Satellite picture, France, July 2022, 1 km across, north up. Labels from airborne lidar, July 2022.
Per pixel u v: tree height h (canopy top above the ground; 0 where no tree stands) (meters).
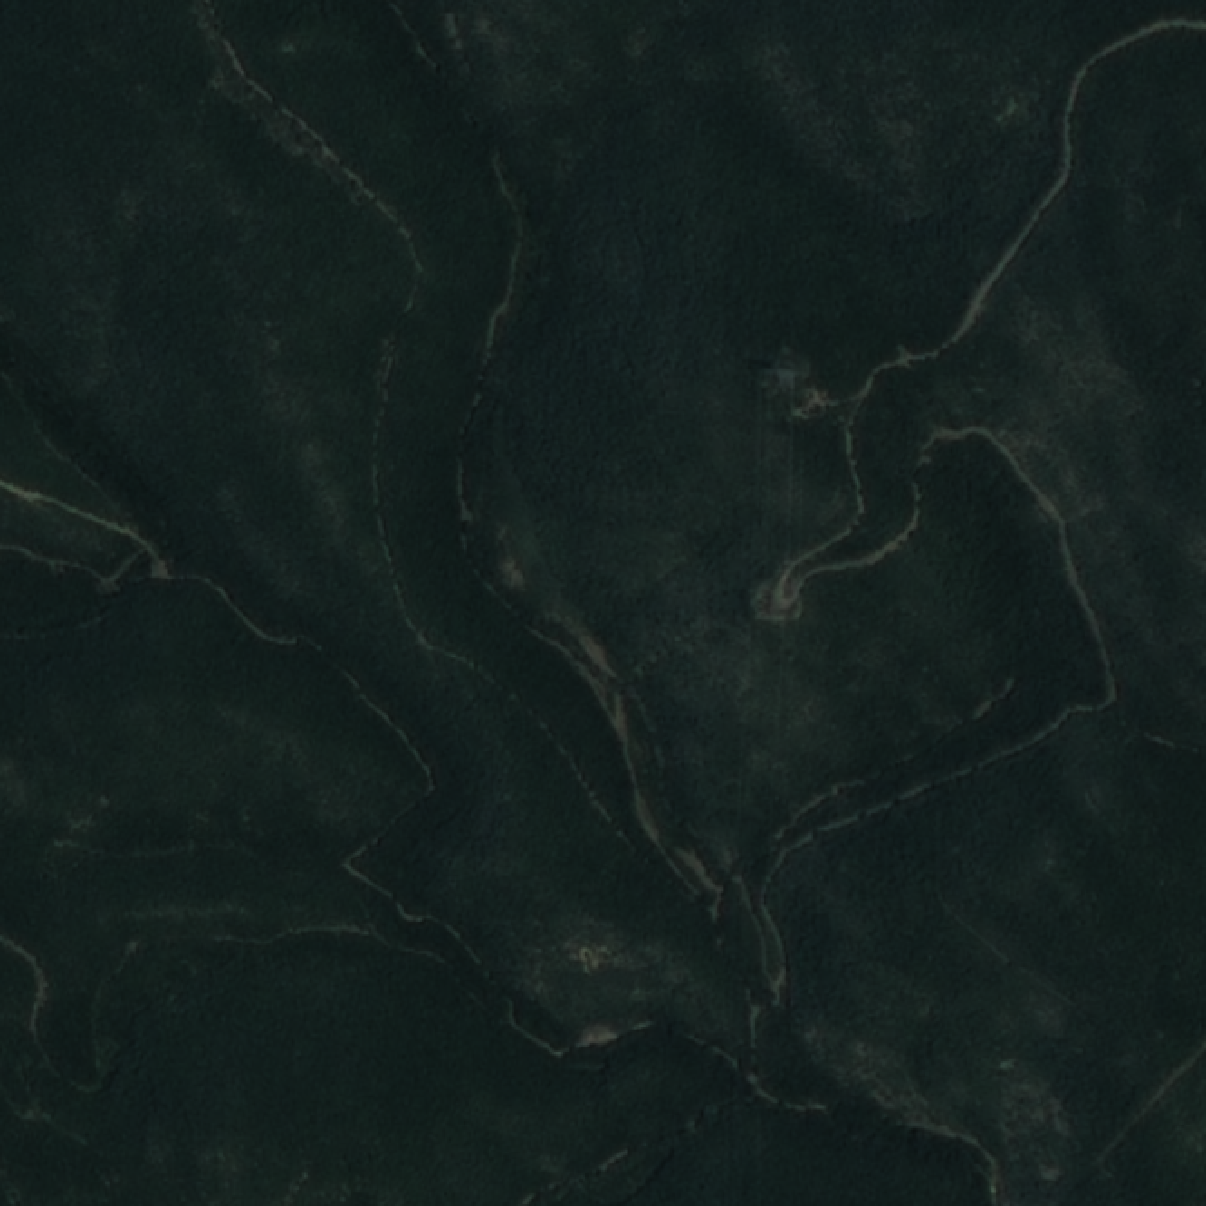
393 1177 7
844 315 7
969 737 8
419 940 11
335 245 7
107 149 6
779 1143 7
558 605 0
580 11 7
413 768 6
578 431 6
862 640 7
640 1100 8
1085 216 7
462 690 6
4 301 9
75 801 6
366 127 8
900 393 7
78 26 6
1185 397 6
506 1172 10
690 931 6
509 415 7
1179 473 5
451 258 7
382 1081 8
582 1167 9
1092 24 8
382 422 7
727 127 12
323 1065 7
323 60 7
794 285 7
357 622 8
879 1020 5
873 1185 7
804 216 11
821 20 8
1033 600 8
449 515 10
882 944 6
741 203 7
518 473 8
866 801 8
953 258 6
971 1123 6
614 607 8
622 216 5
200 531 8
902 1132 8
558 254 7
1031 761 7
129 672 8
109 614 10
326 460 6
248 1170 6
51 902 6
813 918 6
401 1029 7
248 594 7
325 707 9
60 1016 8
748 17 7
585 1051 10
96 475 8
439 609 7
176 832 5
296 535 6
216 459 6
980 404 6
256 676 7
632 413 6
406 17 7
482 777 9
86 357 6
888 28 6
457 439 9
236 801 6
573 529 6
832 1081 6
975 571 16
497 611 7
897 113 7
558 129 8
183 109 9
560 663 5
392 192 9
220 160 7
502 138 7
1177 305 6
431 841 6
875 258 8
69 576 8
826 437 6
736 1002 7
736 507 7
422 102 9
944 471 11
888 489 6
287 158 7
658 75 5
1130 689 6
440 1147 5
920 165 7
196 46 10
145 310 6
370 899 8
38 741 9
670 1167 9
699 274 7
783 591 0
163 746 6
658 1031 11
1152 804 7
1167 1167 6
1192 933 6
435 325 6
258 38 8
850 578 5
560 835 6
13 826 8
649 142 6
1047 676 8
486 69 5
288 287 6
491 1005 7
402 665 6
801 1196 7
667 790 7
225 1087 7
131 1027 6
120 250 8
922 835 7
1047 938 6
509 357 6
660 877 8
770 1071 7
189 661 8
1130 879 9
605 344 6
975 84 7
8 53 7
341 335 9
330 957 7
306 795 6
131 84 6
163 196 6
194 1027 7
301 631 9
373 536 5
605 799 9
